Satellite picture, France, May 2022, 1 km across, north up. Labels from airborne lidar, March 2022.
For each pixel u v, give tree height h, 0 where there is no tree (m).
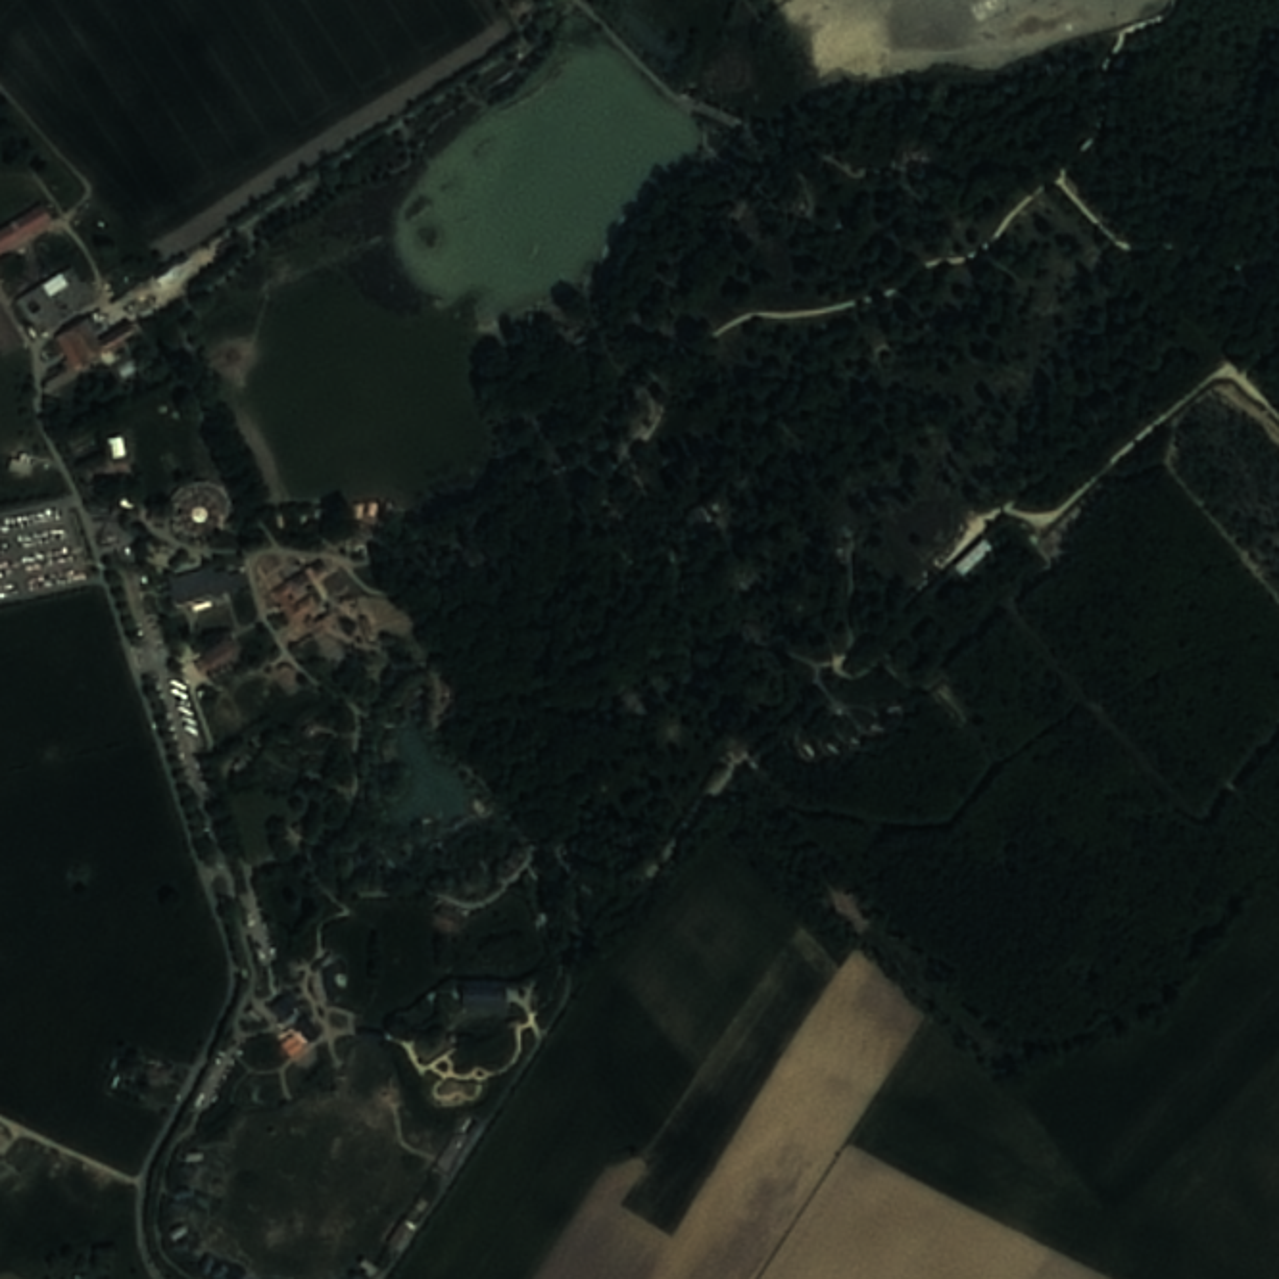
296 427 0
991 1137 0
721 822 15
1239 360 24
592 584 22
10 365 0
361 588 0
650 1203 0
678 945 0
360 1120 0
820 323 0
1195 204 25
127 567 0
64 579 0
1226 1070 0
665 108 0
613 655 24
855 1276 0
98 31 0
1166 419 0
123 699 0
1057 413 24
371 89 0
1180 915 15
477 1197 0
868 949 14
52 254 0
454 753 8
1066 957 15
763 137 24
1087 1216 0
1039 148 28
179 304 7
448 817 0
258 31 0
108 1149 0
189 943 0
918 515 0
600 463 26
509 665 27
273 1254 0
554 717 27
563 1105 0
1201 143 12
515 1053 0
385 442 0
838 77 0
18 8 0
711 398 29
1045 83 10
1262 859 11
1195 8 16
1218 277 26
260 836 0
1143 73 20
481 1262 0
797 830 23
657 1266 0
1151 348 16
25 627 0
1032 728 11
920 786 19
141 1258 0
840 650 0
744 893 0
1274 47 22
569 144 0
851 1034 0
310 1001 0
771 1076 0
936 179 22
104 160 0
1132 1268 0
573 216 0
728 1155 0
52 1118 0
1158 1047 0
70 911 0
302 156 0
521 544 22
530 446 17
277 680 0
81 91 0
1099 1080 0
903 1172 0
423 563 26
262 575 0
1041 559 0
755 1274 0
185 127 0
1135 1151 0
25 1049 0
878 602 20
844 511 0
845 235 10
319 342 0
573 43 0
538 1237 0
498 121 0
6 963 0
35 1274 0
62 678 0
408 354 0
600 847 24
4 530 0
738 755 0
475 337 0
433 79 0
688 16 0
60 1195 0
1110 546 12
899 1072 0
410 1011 0
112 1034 0
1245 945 0
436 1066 0
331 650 0
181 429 0
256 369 0
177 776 8
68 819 0
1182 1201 0
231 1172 0
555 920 22
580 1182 0
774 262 0
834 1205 0
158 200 0
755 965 0
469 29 0
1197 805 10
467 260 0
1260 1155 0
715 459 26
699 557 25
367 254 0
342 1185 0
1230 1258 0
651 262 17
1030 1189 0
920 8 0
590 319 7
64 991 0
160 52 0
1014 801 13
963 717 0
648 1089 0
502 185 0
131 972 0
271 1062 0
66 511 0
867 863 11
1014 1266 0
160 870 0
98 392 14
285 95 0
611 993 0
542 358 23
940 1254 0
